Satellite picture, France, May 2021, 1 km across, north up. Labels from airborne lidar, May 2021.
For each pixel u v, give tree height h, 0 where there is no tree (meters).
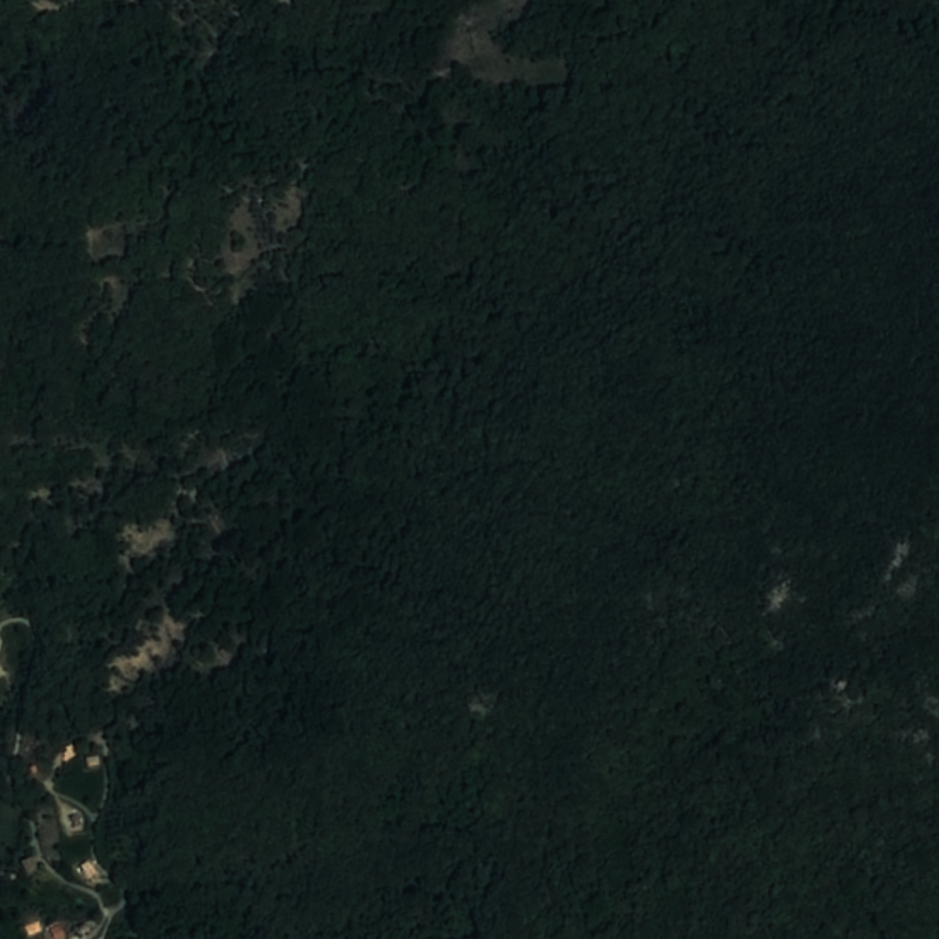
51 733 16
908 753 8
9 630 0
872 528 11
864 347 14
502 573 9
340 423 16
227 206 14
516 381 12
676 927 7
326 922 16
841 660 9
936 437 14
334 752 12
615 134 21
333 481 15
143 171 16
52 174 18
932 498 15
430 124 16
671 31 20
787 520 12
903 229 10
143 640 10
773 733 12
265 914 12
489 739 13
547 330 8
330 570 8
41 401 18
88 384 14
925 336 11
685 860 12
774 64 7
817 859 11
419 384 18
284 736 16
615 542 13
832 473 12
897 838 7
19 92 20
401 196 13
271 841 17
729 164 15
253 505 14
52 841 0
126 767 17
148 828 15
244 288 0
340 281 20
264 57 21
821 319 10
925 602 17
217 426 15
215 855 20
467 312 15
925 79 13
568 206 12
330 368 14
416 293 13
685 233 14
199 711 19
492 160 13
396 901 20
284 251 12
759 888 9
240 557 12
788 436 11
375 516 14
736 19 16
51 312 15
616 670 8
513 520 18
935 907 14
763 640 8
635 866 9
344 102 19
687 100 10
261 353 22
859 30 14
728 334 15
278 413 19
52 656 14
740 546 9
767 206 10
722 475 13
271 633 18
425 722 13
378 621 19
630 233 8
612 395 14
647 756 13
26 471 15
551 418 21
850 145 10
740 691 7
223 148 16
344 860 16
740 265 16
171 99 19
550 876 8
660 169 13
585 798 12
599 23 22
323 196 14
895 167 12
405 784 15
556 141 18
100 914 12
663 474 10
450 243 19
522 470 17
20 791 15
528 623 11
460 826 14
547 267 15
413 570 14
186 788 19
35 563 22
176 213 15
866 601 11
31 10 13
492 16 0
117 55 24
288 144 10
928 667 8
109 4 15
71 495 15
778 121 12
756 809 13
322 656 18
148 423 16
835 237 10
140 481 22
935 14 18
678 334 17
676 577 13
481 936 13
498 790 16
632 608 7
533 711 10
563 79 0
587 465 12
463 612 13
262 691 23
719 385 11
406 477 13
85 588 14
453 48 0
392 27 18
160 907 24
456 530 14
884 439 6
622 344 13
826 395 10
